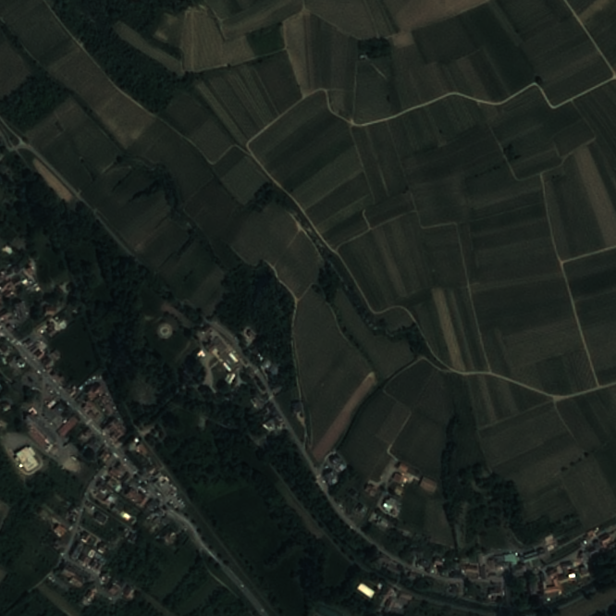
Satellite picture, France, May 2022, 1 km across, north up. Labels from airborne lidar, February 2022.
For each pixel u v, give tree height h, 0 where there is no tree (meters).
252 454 0
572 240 0
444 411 0
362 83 0
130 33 0
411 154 0
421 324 0
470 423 0
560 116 0
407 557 7
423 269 0
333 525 19
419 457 0
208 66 0
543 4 0
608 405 0
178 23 0
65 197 0
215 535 0
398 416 0
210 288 0
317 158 0
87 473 0
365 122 0
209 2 0
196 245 0
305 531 12
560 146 0
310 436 0
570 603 0
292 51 0
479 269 0
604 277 0
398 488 0
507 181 0
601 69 0
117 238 0
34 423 0
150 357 22
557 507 0
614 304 0
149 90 8
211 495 0
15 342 0
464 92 0
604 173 0
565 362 0
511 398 0
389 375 0
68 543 0
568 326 0
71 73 0
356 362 0
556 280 0
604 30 0
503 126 0
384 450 0
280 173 0
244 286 13
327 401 0
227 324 9
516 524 7
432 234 0
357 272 0
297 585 0
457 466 0
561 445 0
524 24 0
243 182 0
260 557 0
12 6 0
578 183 0
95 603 8
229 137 0
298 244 0
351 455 0
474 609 0
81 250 0
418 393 0
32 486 8
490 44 0
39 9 0
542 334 0
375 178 0
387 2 0
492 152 0
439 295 0
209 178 0
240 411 14
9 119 6
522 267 0
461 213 0
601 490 0
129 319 26
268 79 0
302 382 0
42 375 0
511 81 0
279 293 8
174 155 0
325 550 20
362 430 0
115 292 14
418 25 0
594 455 0
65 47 0
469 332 0
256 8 0
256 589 0
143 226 0
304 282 0
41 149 0
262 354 13
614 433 0
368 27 0
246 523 0
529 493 0
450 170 0
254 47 0
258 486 17
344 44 0
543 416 0
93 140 0
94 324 21
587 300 0
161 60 0
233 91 0
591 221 0
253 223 0
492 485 6
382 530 0
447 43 0
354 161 0
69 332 0
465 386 0
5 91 0
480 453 0
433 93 0
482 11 0
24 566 0
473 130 0
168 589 0
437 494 0
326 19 0
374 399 0
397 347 0
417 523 0
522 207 0
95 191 0
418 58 0
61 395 0
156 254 0
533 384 0
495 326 0
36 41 0
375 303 0
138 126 0
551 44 0
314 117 0
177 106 0
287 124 0
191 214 0
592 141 0
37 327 0
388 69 0
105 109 0
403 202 0
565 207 0
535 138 0
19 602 8
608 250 0
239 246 0
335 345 0
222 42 0
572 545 0
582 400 0
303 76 0
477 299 0
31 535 0
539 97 0
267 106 0
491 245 0
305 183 0
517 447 0
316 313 0
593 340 0
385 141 0
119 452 0
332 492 12
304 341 0
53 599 0
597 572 29
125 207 0
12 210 12
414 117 0
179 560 0
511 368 0
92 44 8
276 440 15
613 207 0
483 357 0
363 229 0
